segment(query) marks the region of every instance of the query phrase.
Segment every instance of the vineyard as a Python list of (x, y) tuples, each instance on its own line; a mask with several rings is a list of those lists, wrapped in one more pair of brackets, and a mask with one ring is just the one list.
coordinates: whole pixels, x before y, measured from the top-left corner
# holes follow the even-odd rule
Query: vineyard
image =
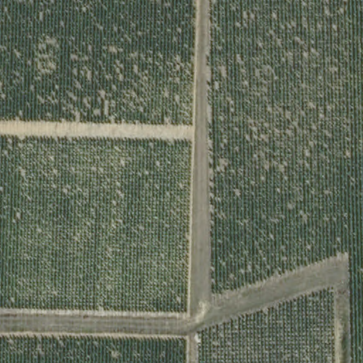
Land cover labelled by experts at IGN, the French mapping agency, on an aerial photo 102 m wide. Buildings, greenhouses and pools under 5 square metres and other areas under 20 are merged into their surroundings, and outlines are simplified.
[(187, 363), (184, 339), (0, 336), (0, 363)]
[(347, 347), (347, 337), (342, 333), (340, 363), (363, 363), (363, 0), (208, 0), (211, 35), (210, 55), (207, 57), (211, 72), (208, 81), (208, 102), (211, 106), (208, 136), (213, 142), (213, 162), (208, 163), (208, 167), (213, 169), (213, 187), (207, 191), (207, 199), (214, 207), (211, 213), (213, 225), (210, 228), (211, 265), (214, 267), (214, 271), (210, 272), (210, 277), (214, 278), (211, 292), (221, 294), (224, 291), (234, 291), (241, 286), (267, 279), (271, 275), (284, 274), (285, 271), (333, 257), (337, 252), (347, 252), (352, 343)]
[(190, 126), (193, 118), (191, 91), (194, 77), (196, 17), (194, 0), (0, 0), (0, 121), (16, 119), (24, 122), (67, 121)]
[(189, 140), (184, 139), (26, 136), (20, 139), (14, 135), (0, 135), (0, 308), (96, 311), (104, 308), (105, 311), (186, 312), (189, 241), (186, 234), (189, 233), (191, 145)]
[(268, 312), (240, 316), (238, 325), (234, 325), (234, 320), (230, 320), (223, 325), (201, 330), (197, 363), (336, 363), (333, 294), (322, 289), (289, 302), (279, 303), (278, 308), (269, 308)]

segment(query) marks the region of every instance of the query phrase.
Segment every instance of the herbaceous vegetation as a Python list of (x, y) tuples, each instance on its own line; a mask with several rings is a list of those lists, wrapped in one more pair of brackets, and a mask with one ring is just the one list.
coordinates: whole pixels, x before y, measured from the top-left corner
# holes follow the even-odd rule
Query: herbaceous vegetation
[(279, 303), (289, 302), (322, 289), (333, 294), (336, 363), (340, 363), (342, 333), (347, 337), (347, 347), (352, 343), (347, 252), (337, 252), (333, 257), (285, 271), (284, 274), (271, 275), (267, 279), (241, 286), (234, 291), (224, 291), (221, 294), (211, 292), (214, 278), (210, 277), (210, 272), (214, 271), (214, 267), (211, 265), (210, 228), (213, 225), (211, 213), (214, 207), (207, 199), (207, 191), (213, 187), (213, 169), (208, 167), (208, 163), (213, 162), (213, 142), (208, 136), (211, 106), (208, 102), (208, 81), (211, 72), (207, 57), (210, 55), (211, 35), (208, 0), (194, 0), (196, 17), (194, 77), (191, 91), (193, 118), (190, 126), (67, 121), (24, 122), (16, 119), (0, 121), (0, 135), (14, 135), (20, 139), (26, 136), (184, 139), (189, 140), (191, 145), (189, 233), (186, 234), (189, 241), (186, 312), (105, 311), (104, 308), (96, 311), (0, 308), (0, 336), (184, 339), (187, 363), (197, 363), (201, 330), (223, 325), (230, 320), (234, 320), (234, 325), (238, 325), (240, 316), (268, 312), (269, 308), (278, 308)]

